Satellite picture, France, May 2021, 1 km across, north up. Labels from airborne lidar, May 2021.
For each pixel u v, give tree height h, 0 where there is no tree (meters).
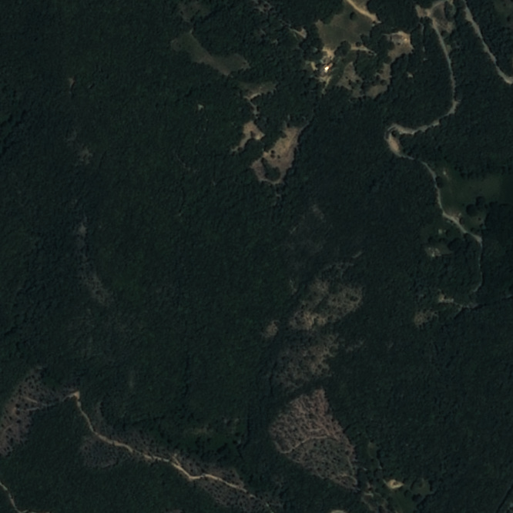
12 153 14
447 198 0
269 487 16
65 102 14
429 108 10
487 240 16
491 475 13
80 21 13
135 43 10
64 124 12
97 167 9
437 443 6
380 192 13
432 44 17
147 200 13
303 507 15
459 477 9
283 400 6
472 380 13
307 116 16
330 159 9
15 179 8
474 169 18
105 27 16
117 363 6
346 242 6
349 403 12
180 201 9
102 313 10
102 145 14
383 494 7
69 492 15
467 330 14
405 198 11
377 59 11
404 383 9
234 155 14
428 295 16
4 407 12
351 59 0
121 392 7
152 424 24
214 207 7
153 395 16
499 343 14
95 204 7
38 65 12
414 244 15
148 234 15
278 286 12
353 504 9
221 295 11
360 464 14
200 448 19
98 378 25
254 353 11
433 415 18
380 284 7
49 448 7
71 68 13
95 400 8
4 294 12
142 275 12
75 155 7
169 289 11
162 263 8
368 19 0
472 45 13
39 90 14
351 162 13
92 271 8
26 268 16
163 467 15
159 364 10
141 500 16
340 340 8
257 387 14
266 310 7
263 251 14
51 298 18
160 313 10
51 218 11
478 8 10
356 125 11
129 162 14
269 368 9
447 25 0
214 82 17
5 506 6
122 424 16
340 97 14
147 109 18
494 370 9
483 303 13
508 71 9
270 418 10
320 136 13
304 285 6
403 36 0
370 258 12
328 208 11
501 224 16
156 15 11
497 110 12
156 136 14
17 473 8
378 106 20
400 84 14
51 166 11
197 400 13
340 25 0
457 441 14
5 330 12
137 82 16
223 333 11
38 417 14
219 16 12
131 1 12
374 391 16
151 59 10
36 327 12
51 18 6
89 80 10
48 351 13
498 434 12
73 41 14
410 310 12
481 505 14
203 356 12
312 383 8
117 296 7
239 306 13
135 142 11
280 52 19
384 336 12
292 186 14
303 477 12
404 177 11
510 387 15
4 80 16
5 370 14
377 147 12
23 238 10
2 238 13
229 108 10
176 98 18
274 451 9
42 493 6
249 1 16
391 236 12
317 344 6
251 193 7
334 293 9
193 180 13
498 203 8
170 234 11
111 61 15
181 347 14
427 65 13
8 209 18
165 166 9
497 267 13
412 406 11
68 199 8
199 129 11
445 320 16
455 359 23
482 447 9
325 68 0
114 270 14
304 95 19
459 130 12
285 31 18
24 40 11
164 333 11
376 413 15
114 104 16
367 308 8
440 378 19
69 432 8
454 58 14
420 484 14
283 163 0
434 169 10
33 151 11
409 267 17
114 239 10
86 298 9
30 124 18
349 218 6
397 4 14
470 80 16
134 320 8
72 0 14
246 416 12
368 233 6
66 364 19
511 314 13
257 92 0
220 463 24
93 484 12
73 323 7
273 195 10
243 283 13
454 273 14
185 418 17
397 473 16
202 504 13
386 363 12
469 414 16
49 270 13
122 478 9
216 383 10
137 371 8
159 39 15
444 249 0
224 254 11
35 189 12
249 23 7
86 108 11
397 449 11
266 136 9
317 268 10
